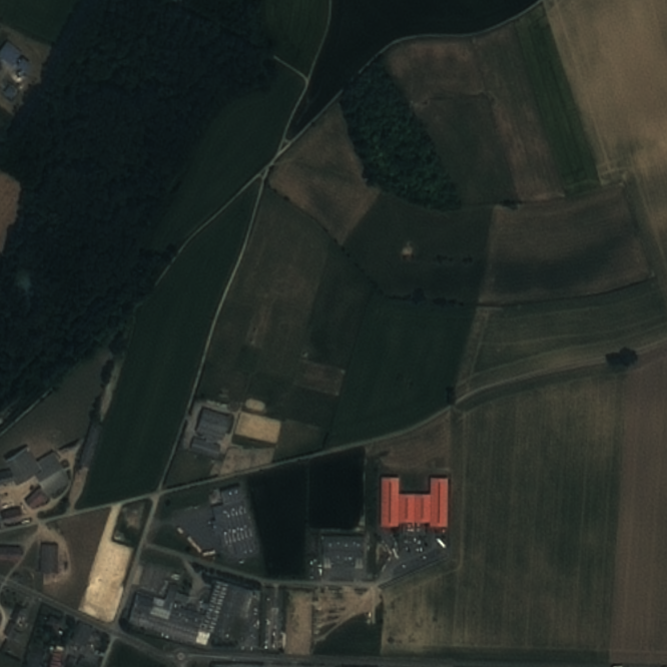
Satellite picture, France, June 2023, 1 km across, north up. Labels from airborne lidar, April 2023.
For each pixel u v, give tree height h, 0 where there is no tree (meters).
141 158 9
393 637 0
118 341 15
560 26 0
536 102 0
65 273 22
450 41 0
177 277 0
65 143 39
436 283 0
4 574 0
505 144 0
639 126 0
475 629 0
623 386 0
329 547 0
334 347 0
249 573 0
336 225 0
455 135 0
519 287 0
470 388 0
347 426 0
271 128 0
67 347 21
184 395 0
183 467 0
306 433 0
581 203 0
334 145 0
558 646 0
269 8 0
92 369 0
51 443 0
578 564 0
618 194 0
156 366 0
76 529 0
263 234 0
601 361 0
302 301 0
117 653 0
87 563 0
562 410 0
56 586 0
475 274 0
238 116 0
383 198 0
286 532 0
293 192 0
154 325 0
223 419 0
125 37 25
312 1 0
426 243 0
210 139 0
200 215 0
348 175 0
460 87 0
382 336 0
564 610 0
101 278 38
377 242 0
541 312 0
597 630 0
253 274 0
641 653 0
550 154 0
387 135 20
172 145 40
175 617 0
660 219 0
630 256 0
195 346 0
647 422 0
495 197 0
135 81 7
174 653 0
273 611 0
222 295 0
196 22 24
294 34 0
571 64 0
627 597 0
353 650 0
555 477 0
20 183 7
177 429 0
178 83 36
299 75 0
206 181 0
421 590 0
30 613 0
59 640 14
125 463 0
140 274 16
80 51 20
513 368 0
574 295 0
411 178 18
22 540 0
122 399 0
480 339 0
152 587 0
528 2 0
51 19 0
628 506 0
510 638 0
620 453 0
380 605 0
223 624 0
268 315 0
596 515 0
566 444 0
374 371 0
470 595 0
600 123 0
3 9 0
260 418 0
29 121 36
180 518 0
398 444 0
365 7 0
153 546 0
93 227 39
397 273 0
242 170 0
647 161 0
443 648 0
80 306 18
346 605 0
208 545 0
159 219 0
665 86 0
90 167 39
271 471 0
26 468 0
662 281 0
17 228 9
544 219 0
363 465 0
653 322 0
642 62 0
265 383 0
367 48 0
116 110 41
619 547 0
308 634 0
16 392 16
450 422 0
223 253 0
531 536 0
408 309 0
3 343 27
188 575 0
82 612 0
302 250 0
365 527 0
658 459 0
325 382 0
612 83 0
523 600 0
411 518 0
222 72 39
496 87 0
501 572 0
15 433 0
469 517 0
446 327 0
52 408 0
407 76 0
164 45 34
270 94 0
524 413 0
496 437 0
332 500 0
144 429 0
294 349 0
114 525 0
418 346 0
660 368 0
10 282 31
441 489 0
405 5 0
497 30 0
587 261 0
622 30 0
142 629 10
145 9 18
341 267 0
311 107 0
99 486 0
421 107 0
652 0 0
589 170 0
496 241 0
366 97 14
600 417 0
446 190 18
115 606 0
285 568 0
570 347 0
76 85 9
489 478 0
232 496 0
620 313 0
